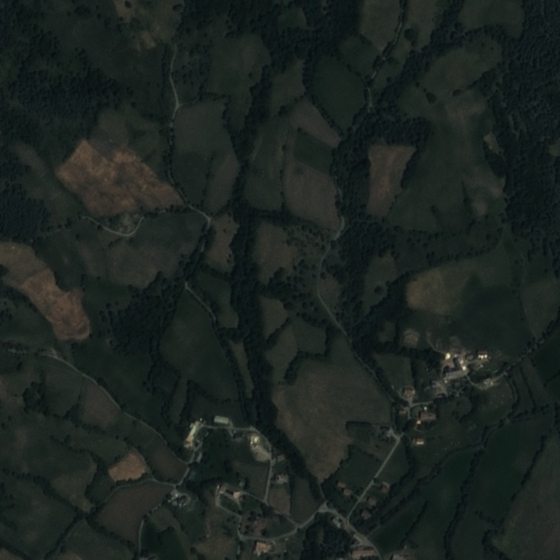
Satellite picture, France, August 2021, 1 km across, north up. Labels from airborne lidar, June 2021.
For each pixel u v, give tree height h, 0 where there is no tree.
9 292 7
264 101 17
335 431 0
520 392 6
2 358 0
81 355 0
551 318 0
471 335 0
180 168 0
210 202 0
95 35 0
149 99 0
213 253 0
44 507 0
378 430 0
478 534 0
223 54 0
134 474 0
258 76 0
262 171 0
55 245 0
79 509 11
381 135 13
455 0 11
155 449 0
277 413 10
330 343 12
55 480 0
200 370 0
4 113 7
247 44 0
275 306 0
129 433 0
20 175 8
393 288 17
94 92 15
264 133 0
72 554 0
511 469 0
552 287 0
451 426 0
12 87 10
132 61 0
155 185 0
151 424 9
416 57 19
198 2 15
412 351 13
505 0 0
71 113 9
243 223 17
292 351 0
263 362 14
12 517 0
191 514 0
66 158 8
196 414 0
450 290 0
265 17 20
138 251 0
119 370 0
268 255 0
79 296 0
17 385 0
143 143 0
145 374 0
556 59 17
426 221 0
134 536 0
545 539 0
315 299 0
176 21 0
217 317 8
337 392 0
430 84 0
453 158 0
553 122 16
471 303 0
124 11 0
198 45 7
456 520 7
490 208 0
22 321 0
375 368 15
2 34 15
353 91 0
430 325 0
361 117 14
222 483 8
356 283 9
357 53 0
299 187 0
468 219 0
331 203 0
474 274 0
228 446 6
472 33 11
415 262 0
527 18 11
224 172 0
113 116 0
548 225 9
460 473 0
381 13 0
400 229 12
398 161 0
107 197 0
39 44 13
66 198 0
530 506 0
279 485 0
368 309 0
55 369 0
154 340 14
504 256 0
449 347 0
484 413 0
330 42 17
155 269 0
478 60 0
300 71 0
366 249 15
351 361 0
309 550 14
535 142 9
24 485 0
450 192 0
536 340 8
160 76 0
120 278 0
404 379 0
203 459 9
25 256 0
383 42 0
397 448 0
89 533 0
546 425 0
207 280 0
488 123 0
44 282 0
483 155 0
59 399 0
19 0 9
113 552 0
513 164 17
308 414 0
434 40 15
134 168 0
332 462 0
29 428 0
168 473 0
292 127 0
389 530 0
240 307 25
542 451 8
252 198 0
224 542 0
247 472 0
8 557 0
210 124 0
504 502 0
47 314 0
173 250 0
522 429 0
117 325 12
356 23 20
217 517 0
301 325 0
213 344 0
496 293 0
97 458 9
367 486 0
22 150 0
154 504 0
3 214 12
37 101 18
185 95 0
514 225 10
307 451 0
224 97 9
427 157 0
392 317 21
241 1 16
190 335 0
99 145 0
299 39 9
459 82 0
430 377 0
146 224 0
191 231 0
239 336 19
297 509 0
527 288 0
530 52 13
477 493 0
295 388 0
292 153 0
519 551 0
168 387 0
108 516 0
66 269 0
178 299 13
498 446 0
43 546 0
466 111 0
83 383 0
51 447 0
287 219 9
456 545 0
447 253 0
